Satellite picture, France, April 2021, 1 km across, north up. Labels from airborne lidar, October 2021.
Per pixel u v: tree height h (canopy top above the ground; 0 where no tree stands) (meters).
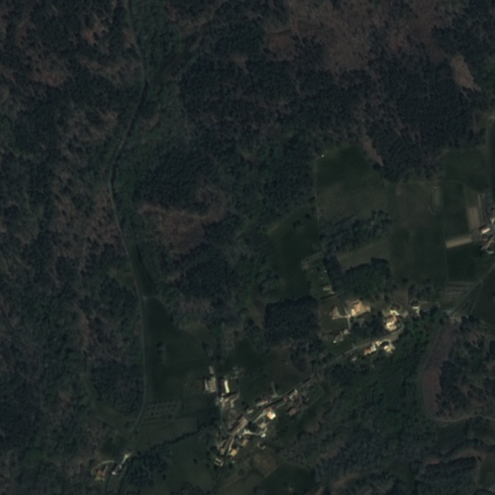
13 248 19
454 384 23
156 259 22
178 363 0
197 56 17
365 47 10
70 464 18
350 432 17
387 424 19
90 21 19
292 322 22
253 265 19
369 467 15
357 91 16
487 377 19
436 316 21
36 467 23
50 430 19
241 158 13
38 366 20
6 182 25
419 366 18
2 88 23
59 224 8
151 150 20
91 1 29
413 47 21
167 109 15
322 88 19
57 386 26
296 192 20
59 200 14
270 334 21
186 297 28
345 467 10
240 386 0
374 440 17
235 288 20
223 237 24
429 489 17
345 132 12
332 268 21
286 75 20
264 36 26
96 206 24
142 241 23
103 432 15
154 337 0
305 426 0
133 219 19
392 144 24
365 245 17
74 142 12
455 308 0
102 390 27
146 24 26
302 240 0
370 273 22
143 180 18
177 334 0
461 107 16
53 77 11
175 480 0
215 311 23
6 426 23
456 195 0
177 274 24
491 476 0
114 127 19
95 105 23
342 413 21
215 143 23
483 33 12
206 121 12
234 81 10
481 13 20
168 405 7
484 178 0
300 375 0
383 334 24
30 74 22
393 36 13
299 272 0
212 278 24
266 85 23
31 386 9
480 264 0
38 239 8
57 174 18
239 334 13
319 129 14
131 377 26
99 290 22
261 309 0
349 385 28
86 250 7
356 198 0
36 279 12
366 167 0
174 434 0
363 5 11
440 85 14
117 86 17
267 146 18
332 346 0
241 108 14
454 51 16
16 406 20
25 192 17
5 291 10
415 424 19
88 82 28
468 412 26
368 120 17
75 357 26
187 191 27
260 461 0
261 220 19
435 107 16
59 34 21
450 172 0
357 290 22
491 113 11
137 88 16
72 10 25
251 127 8
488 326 0
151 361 0
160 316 0
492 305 0
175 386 0
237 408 0
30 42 18
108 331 19
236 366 0
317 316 17
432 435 23
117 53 23
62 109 22
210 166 26
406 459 19
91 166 22
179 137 21
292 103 7
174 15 11
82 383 13
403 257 0
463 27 19
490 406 16
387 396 12
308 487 0
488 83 19
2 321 20
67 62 18
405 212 0
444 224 0
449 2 14
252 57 22
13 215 17
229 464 0
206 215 27
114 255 22
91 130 21
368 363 10
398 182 25
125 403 20
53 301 17
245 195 23
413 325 12
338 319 0
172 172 27
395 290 15
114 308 28
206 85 26
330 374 19
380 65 15
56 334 18
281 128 11
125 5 13
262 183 21
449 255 0
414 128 16
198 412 0
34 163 20
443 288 0
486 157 0
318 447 27
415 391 17
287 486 13
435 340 0
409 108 16
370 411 24
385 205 0
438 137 0
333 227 16
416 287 10
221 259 23
